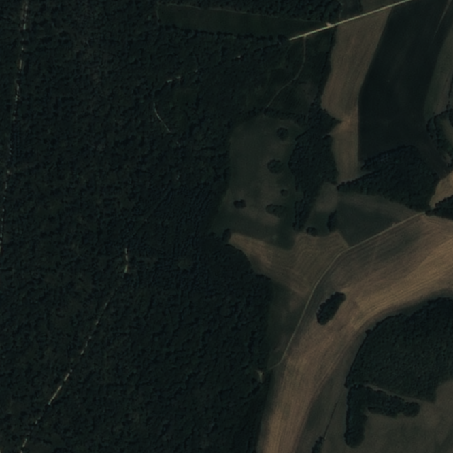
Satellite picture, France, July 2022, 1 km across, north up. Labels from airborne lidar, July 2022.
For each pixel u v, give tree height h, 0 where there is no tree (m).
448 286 0
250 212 0
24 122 20
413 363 9
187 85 21
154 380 24
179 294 17
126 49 23
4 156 20
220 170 23
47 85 19
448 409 0
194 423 20
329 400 0
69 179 21
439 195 0
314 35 0
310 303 0
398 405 16
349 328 0
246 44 19
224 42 20
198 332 25
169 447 23
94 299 23
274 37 15
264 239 0
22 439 19
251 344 8
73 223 26
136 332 20
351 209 0
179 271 23
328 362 0
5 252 18
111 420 18
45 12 22
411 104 0
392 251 0
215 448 25
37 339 17
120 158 27
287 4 21
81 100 22
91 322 16
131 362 10
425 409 0
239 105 23
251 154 0
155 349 24
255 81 21
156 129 18
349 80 0
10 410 20
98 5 20
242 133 0
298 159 11
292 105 6
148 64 21
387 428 0
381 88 0
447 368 7
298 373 0
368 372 7
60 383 24
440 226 0
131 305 20
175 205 15
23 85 23
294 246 0
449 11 0
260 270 0
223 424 24
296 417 0
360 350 8
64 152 22
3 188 16
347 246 0
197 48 25
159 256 16
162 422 30
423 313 13
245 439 13
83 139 20
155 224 7
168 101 19
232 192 0
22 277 20
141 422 17
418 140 0
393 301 0
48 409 21
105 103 20
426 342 11
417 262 0
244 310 24
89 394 25
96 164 19
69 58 16
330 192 0
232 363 24
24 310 19
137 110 22
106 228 18
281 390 0
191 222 16
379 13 0
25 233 19
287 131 13
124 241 21
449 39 0
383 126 0
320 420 0
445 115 9
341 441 0
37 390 23
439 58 0
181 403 24
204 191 22
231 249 17
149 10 20
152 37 21
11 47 21
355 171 0
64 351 19
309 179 17
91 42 16
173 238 14
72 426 8
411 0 0
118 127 22
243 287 23
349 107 0
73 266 21
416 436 0
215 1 19
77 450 21
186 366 25
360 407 21
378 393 12
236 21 0
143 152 21
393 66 0
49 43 27
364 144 0
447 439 0
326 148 17
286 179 0
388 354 10
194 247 18
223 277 24
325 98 0
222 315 27
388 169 18
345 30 0
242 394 22
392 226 0
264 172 0
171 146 22
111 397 21
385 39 0
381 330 11
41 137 21
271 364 0
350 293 0
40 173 21
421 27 0
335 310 11
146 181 21
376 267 0
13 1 21
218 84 24
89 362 20
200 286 22
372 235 0
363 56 0
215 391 26
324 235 0
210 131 18
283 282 0
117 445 21
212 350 24
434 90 0
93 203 22
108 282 20
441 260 0
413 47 0
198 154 21
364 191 16
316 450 16
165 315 24
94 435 25
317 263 0
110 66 20
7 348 19
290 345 0
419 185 17
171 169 24
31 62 25
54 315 22
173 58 26
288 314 0
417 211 10
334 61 0
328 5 21
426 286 0
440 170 0
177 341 30
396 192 18
